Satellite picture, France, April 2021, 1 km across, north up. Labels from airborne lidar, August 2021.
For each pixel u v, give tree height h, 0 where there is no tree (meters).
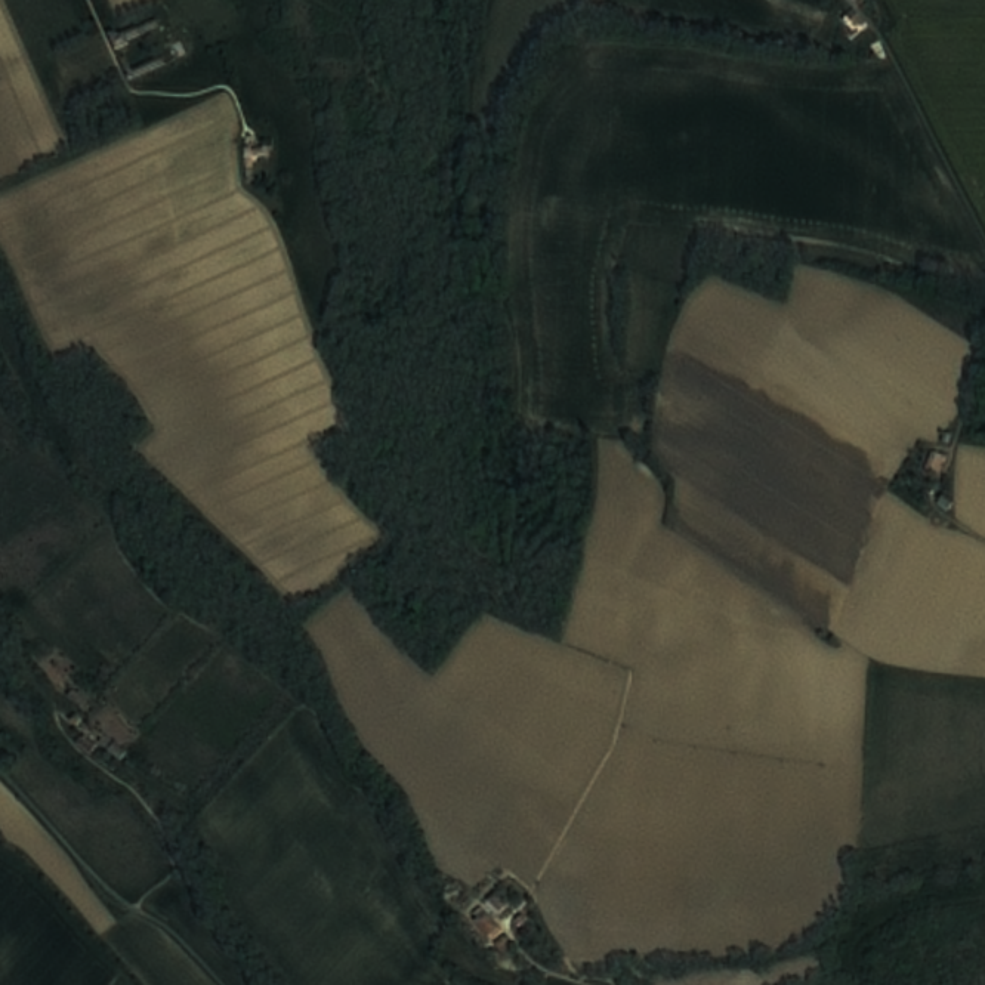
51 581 0
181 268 0
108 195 0
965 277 17
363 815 0
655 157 0
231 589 23
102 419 17
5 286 13
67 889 0
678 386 0
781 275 15
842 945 7
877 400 0
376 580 18
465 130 16
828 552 0
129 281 0
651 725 0
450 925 14
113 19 0
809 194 0
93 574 0
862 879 17
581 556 11
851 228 0
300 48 7
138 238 0
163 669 0
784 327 0
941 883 11
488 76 0
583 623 0
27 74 0
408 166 24
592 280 0
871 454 0
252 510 0
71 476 12
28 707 16
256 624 22
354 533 0
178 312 0
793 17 0
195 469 0
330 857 0
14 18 0
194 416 0
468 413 20
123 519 15
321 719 13
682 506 0
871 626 0
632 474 0
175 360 0
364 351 21
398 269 17
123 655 0
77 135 12
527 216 0
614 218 0
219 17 0
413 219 21
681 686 0
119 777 9
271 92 0
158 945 0
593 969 10
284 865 0
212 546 19
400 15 17
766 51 17
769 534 0
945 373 0
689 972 19
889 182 0
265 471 0
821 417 0
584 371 0
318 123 13
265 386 0
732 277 13
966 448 0
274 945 0
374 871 0
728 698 0
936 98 0
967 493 0
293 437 0
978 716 0
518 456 27
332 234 14
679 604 0
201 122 0
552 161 0
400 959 0
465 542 21
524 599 18
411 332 19
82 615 0
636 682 0
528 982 16
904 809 0
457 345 21
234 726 0
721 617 0
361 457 19
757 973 18
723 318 0
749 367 0
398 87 14
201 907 22
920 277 12
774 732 0
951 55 0
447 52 10
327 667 11
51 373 18
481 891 6
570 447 18
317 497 0
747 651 0
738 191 0
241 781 0
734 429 0
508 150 17
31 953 0
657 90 0
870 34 0
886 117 0
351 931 0
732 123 0
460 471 23
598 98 0
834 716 0
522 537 14
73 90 0
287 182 10
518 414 28
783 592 0
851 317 0
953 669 0
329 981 0
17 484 0
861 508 0
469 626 17
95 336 0
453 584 18
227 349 0
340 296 22
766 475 0
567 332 0
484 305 21
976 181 0
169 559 17
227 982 0
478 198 23
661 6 0
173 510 18
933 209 0
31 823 0
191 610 10
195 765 0
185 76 0
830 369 0
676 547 0
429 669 15
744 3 0
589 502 8
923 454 9
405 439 21
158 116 0
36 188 0
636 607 0
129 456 17
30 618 0
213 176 0
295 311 0
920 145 0
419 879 18
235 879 0
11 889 0
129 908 0
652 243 0
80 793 0
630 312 12
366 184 16
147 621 0
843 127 0
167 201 0
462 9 18
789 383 0
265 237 0
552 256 0
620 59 0
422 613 16
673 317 0
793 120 0
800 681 0
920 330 0
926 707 0
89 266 0
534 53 21
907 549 0
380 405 22
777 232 0
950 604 0
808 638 0
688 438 0
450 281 18
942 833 0
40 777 0
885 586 0
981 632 0
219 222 0
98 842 0
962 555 0
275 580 0
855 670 0
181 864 25
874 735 0
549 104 0
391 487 19
